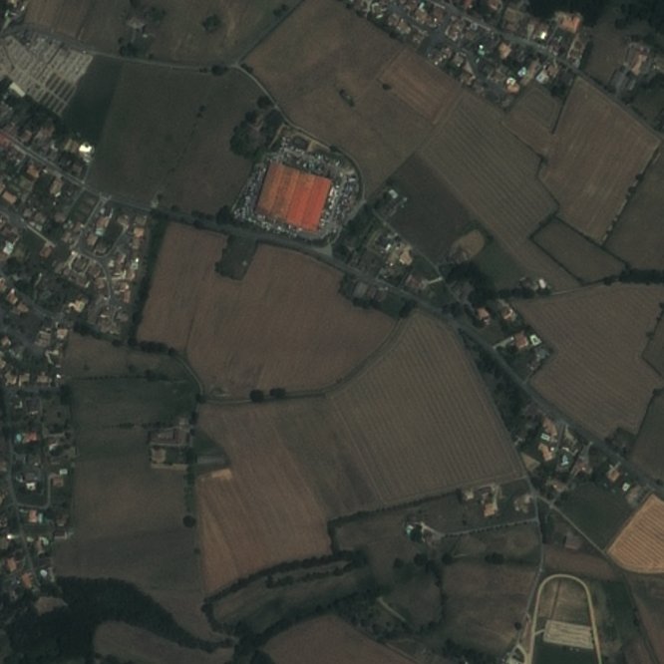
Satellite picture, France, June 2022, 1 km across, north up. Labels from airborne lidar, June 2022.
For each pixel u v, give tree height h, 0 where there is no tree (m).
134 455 0
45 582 9
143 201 0
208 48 0
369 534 0
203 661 0
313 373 0
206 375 0
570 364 0
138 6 9
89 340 0
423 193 0
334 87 0
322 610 16
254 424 0
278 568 9
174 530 0
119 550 0
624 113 0
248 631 14
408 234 0
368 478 0
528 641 0
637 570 0
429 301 0
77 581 10
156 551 0
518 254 0
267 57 0
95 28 0
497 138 0
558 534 0
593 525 0
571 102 0
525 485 0
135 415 0
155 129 0
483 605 0
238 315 0
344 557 17
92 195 0
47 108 9
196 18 0
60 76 0
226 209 11
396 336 0
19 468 8
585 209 0
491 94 0
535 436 8
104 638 0
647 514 0
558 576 0
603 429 0
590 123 0
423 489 0
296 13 0
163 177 0
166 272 0
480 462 0
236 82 0
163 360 0
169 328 0
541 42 9
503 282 0
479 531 6
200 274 0
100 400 0
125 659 0
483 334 0
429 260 0
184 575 0
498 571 0
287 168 0
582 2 14
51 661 7
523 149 0
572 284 0
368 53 0
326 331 0
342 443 0
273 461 0
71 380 0
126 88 0
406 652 0
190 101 0
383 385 0
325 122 0
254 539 0
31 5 0
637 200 0
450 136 0
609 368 0
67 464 0
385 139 0
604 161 0
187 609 0
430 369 0
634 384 0
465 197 0
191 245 0
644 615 0
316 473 0
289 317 0
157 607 12
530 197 0
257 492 0
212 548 0
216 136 0
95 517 0
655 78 7
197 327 0
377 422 0
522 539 0
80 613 14
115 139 0
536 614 0
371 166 0
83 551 0
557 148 0
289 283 0
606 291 0
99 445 0
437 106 0
